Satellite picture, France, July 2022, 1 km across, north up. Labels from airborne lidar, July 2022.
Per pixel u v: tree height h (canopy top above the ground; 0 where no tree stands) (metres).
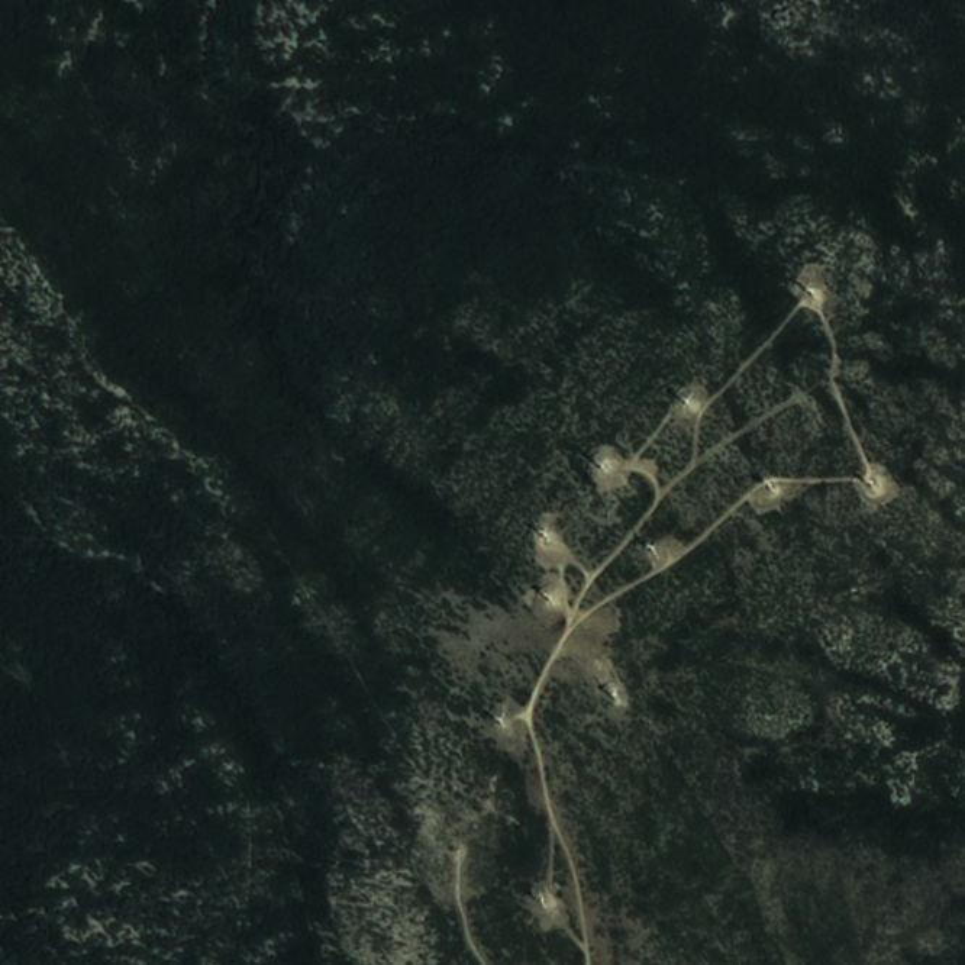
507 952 0
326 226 7
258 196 11
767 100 7
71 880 7
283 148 8
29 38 6
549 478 0
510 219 6
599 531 0
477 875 0
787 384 0
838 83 6
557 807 0
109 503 7
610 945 0
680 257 0
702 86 6
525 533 0
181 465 5
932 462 0
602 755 0
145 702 7
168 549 10
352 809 0
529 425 0
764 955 0
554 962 0
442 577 0
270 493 6
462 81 6
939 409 0
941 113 6
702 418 0
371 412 0
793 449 0
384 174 5
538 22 7
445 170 7
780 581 0
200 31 6
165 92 7
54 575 8
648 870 0
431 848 0
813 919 0
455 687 0
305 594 0
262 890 0
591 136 7
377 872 0
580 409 0
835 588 0
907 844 8
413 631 0
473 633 0
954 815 6
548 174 10
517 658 0
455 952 0
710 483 0
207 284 8
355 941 0
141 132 7
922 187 9
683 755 0
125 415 0
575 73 6
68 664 8
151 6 9
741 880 0
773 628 0
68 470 7
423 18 6
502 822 0
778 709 0
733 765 0
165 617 7
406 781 0
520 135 8
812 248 0
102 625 7
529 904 0
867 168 7
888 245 7
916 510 0
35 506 9
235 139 7
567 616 0
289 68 8
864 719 0
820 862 0
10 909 7
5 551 7
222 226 11
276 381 8
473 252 6
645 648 0
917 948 0
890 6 6
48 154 6
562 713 0
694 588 0
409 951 0
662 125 7
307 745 6
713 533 0
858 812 10
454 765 0
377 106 7
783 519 0
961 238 7
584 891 0
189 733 7
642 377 0
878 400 0
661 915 0
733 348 0
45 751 7
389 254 7
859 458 0
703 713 0
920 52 7
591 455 0
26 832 7
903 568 0
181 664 9
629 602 0
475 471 0
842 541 0
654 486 0
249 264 9
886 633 0
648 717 0
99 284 6
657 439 0
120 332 7
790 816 7
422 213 6
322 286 6
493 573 0
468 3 6
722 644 0
